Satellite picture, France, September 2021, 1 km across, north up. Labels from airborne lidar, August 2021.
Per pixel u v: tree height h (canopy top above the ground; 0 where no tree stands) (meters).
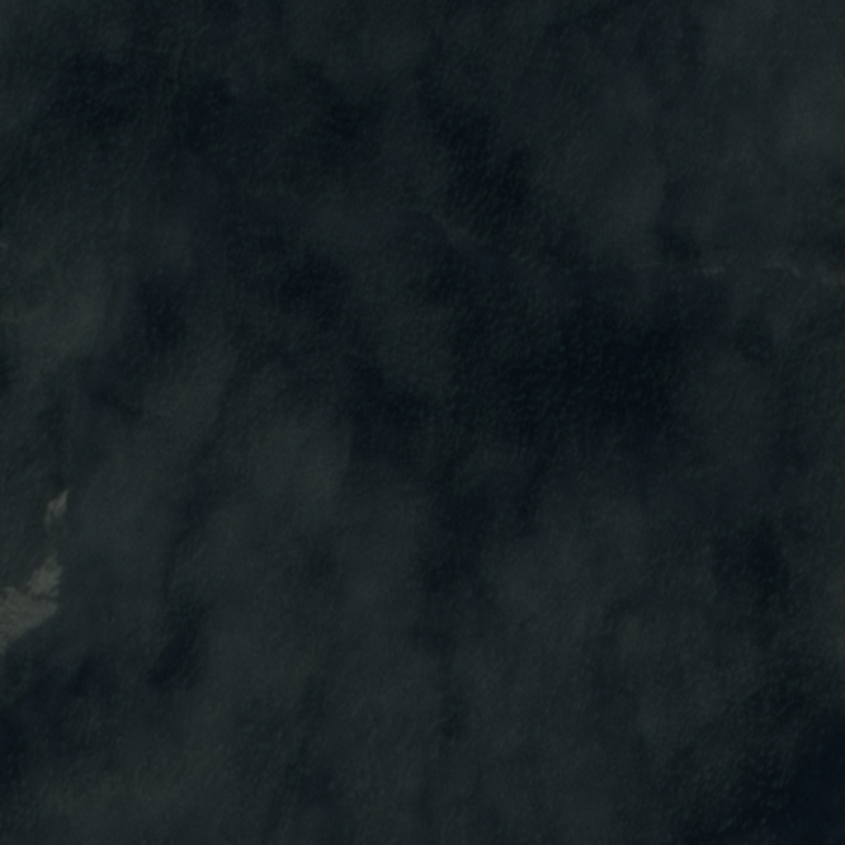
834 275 0
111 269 37
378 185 26
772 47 28
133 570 26
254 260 34
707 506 17
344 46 21
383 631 33
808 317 35
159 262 27
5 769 25
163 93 25
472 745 28
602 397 29
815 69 16
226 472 36
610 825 32
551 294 0
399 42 29
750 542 29
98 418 15
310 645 28
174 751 13
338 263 37
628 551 32
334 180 27
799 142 24
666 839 26
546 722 24
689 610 21
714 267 0
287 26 22
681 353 30
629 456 14
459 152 31
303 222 0
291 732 24
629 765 22
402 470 23
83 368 21
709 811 16
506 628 35
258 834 7
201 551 40
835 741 20
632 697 20
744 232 8
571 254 29
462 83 32
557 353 34
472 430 34
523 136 27
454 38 34
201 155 31
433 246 30
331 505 41
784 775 27
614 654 22
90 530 0
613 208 32
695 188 12
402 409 28
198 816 6
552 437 34
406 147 26
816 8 6
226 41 32
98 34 29
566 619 31
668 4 10
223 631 16
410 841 7
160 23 35
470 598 27
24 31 27
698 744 25
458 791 35
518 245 31
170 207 20
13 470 31
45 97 14
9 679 12
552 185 28
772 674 17
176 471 23
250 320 37
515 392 29
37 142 25
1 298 8
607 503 21
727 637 17
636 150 16
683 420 11
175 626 25
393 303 33
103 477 7
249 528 9
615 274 0
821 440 17
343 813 13
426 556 31
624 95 24
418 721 8
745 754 15
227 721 12
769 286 38
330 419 40
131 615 41
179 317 37
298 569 34
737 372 30
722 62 8
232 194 35
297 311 25
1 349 0
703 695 20
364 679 12
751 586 29
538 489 31
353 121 25
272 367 39
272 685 30
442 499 31
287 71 23
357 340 31
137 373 35
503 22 26
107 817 6
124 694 24
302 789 9
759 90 12
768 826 12
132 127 31
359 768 41
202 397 14
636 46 12
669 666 35
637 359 20
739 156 29
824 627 20
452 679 12
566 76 24
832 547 33
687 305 17
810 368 31
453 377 22
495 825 7
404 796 14
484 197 29
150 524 7
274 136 25
